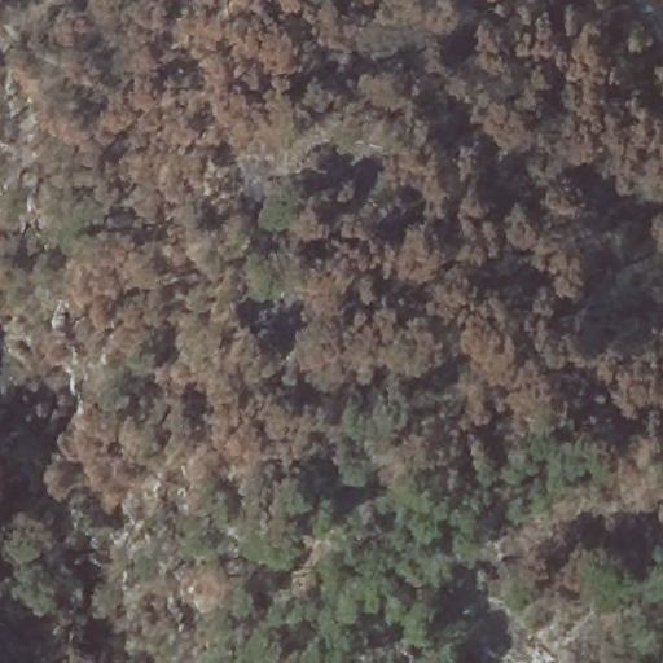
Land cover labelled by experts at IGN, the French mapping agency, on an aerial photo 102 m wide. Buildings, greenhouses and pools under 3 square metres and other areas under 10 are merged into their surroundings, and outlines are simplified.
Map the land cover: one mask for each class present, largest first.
<instances>
[{"label":"coniferous trees","instance_id":"1","mask_svg":"<svg viewBox=\"0 0 663 663\"><path fill-rule=\"evenodd\" d=\"M0 663H663V0H0Z\"/></svg>","mask_w":663,"mask_h":663}]
</instances>
